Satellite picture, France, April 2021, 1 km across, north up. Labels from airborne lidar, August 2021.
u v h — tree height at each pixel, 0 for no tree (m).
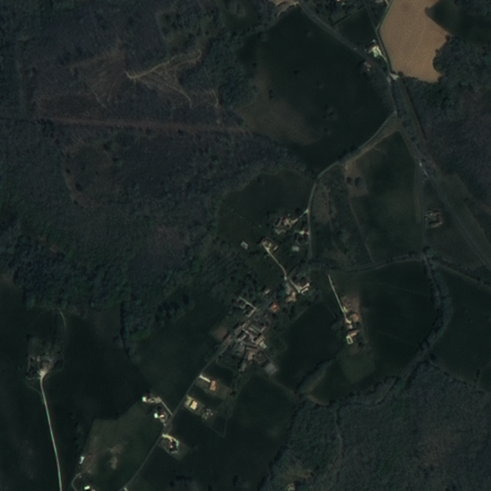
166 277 15
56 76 15
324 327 0
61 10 13
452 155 6
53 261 10
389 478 22
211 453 0
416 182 0
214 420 0
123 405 0
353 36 0
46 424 0
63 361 6
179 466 0
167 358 0
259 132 0
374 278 0
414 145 14
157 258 15
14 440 0
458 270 6
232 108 19
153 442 0
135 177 6
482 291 0
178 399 0
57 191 13
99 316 0
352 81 0
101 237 13
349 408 22
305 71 0
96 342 0
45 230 19
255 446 0
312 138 0
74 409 0
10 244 21
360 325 8
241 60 0
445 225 0
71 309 18
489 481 25
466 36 0
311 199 0
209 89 19
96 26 17
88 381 0
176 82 0
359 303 0
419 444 13
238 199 0
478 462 17
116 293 27
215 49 19
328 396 0
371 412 21
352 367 0
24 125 13
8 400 0
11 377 0
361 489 27
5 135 12
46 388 0
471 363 0
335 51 0
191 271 18
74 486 0
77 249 15
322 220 0
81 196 20
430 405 19
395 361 0
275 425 0
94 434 0
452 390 21
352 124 0
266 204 0
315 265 17
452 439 12
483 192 8
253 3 17
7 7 11
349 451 25
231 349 9
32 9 19
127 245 13
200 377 0
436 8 0
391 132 0
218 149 8
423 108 21
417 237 0
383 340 0
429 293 0
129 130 9
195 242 13
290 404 0
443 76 16
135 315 14
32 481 0
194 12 16
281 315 0
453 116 24
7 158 14
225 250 14
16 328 0
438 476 16
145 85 0
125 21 19
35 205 16
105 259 16
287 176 0
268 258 10
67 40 13
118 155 6
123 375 0
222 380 0
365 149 0
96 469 0
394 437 20
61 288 10
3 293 0
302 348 0
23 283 13
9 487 0
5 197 22
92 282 30
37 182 13
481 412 18
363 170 0
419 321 0
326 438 14
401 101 23
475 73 16
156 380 0
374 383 0
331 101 0
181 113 6
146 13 18
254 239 0
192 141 9
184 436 0
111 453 0
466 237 0
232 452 0
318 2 18
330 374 0
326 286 0
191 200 14
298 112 0
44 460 0
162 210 16
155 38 17
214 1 18
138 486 0
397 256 0
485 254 0
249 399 0
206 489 0
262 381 0
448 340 0
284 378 0
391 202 0
